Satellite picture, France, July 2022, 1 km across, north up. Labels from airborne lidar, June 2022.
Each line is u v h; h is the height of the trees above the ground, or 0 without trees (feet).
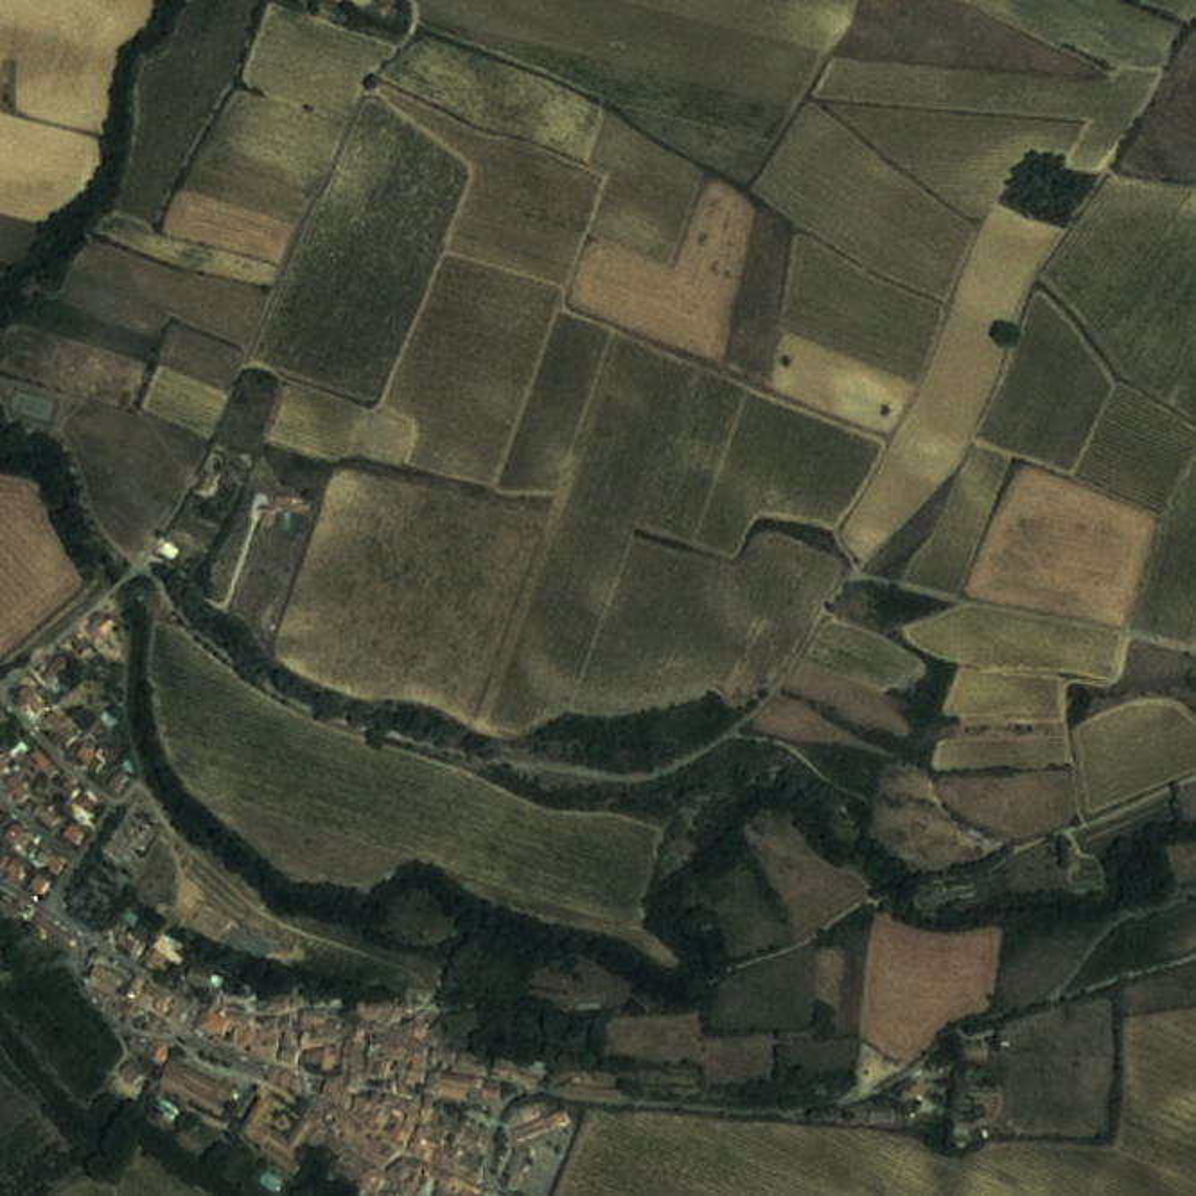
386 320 0
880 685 0
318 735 0
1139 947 19
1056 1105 0
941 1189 0
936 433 0
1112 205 0
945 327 0
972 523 0
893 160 0
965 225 0
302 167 0
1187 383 0
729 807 25
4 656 0
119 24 0
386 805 0
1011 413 0
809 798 88
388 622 0
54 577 0
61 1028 22
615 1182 0
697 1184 0
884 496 0
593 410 0
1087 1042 0
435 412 0
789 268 0
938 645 0
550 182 0
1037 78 0
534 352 0
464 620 0
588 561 0
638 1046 0
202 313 0
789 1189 0
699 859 45
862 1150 0
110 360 0
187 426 0
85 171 0
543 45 0
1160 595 0
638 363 0
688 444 0
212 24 0
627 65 0
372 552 0
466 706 0
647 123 0
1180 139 0
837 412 0
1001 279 0
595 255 0
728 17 0
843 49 0
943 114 0
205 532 0
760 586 0
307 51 0
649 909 30
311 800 0
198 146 0
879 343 0
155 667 0
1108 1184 0
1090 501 0
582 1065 52
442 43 0
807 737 0
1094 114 0
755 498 0
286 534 0
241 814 0
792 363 0
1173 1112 0
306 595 0
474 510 0
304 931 0
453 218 0
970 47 0
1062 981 0
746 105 0
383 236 0
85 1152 46
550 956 48
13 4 0
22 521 0
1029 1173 0
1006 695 0
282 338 0
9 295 45
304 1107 42
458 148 0
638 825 0
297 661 0
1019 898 19
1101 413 0
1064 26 0
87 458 0
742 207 0
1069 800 0
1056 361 0
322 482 0
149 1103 21
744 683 0
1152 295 0
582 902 0
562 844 0
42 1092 29
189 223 0
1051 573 0
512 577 0
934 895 0
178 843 0
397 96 0
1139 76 0
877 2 0
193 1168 68
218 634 44
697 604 0
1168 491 0
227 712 0
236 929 0
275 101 0
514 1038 23
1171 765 0
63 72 0
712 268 0
